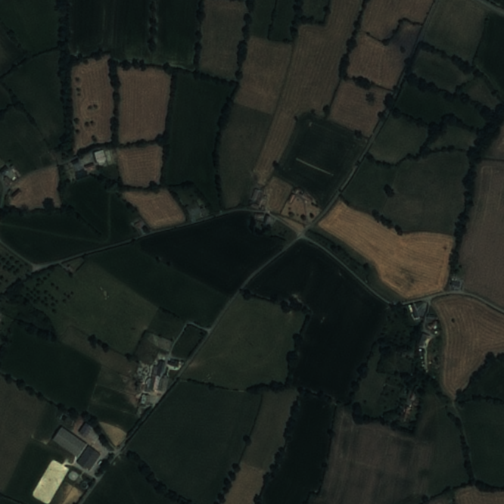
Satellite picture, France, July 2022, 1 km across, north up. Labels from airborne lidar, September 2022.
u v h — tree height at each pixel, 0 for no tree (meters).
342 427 0
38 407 0
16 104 16
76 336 0
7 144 0
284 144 0
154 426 0
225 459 0
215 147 7
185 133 0
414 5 0
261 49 0
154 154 0
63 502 0
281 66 0
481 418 0
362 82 17
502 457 0
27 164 0
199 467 0
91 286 0
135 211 13
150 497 0
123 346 0
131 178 0
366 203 0
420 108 0
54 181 0
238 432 0
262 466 0
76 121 7
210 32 0
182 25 0
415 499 0
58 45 12
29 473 0
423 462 0
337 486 0
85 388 0
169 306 0
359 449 0
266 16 0
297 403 13
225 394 0
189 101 0
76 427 0
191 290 0
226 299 0
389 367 0
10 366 0
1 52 0
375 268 0
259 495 7
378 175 0
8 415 0
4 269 6
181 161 0
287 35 0
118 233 0
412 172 0
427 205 0
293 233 0
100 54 13
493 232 0
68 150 20
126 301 0
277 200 0
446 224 0
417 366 6
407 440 0
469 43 0
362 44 0
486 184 0
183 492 0
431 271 0
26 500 0
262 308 0
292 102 0
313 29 0
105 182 9
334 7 0
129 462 0
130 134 0
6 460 0
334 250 16
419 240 0
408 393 10
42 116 0
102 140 0
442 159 0
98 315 0
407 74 9
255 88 0
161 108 0
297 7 16
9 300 7
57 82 0
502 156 0
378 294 0
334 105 0
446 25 0
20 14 0
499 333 0
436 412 0
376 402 0
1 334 0
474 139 0
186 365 0
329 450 7
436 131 19
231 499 0
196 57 10
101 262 0
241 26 0
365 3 8
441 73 0
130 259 0
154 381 0
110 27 0
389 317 6
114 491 0
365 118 0
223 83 15
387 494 0
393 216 0
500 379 0
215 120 0
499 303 0
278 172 0
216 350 0
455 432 0
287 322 0
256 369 0
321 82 0
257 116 0
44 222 0
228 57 0
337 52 0
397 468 0
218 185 16
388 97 15
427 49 13
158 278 0
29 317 0
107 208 0
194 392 0
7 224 0
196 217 0
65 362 0
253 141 0
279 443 0
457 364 0
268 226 10
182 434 0
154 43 15
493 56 0
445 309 0
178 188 8
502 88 0
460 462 0
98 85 0
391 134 0
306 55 0
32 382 0
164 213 0
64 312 0
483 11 0
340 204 0
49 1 0
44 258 0
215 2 0
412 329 7
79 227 0
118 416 0
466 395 10
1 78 8
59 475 0
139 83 0
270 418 0
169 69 14
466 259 0
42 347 0
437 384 8
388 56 0
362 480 0
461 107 0
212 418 0
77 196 0
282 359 0
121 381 0
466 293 0
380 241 0
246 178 0
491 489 13
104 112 0
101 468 8
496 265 0
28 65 0
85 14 0
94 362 0
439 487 0
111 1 0
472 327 0
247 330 0
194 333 0
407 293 0
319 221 0
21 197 0
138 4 0
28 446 0
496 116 19
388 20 0
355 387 16
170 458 0
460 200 0
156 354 0
